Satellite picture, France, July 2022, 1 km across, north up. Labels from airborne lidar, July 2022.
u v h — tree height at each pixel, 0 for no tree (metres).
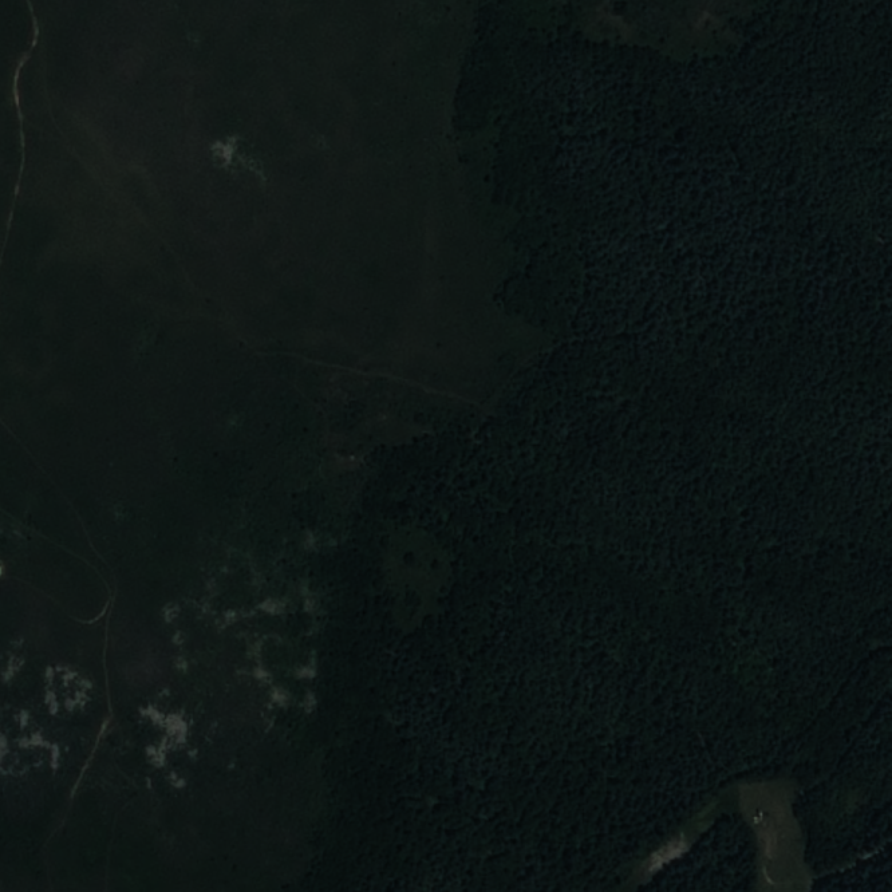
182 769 0
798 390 18
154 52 0
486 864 21
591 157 21
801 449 17
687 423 12
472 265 0
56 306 0
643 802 23
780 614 22
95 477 0
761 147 20
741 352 18
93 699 0
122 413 0
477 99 10
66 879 0
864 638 18
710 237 19
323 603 6
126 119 0
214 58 0
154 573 0
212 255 0
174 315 0
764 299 15
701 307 14
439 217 0
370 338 0
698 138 16
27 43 0
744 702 19
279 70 0
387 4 0
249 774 0
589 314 14
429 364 0
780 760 8
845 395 18
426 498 12
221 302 0
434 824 18
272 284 0
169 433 0
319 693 7
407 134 0
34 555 0
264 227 0
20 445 0
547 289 10
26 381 0
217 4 0
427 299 0
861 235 20
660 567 17
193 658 0
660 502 16
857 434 15
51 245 0
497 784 25
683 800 23
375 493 7
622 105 21
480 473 9
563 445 16
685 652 19
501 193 8
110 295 0
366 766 15
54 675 0
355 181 0
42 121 0
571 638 19
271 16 0
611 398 19
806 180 18
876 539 20
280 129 0
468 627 11
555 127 18
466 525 6
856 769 13
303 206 0
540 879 25
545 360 6
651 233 16
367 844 17
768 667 9
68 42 0
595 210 15
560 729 22
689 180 21
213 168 0
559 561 8
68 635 0
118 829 0
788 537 22
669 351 19
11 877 0
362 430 0
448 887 19
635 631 15
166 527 0
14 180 0
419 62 0
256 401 0
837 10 19
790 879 0
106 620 0
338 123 0
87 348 0
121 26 0
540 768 24
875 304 13
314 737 7
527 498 13
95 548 0
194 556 0
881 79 19
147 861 0
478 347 0
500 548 8
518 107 9
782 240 21
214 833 0
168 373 0
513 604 14
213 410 0
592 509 12
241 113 0
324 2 0
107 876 0
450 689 16
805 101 19
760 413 12
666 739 22
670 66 15
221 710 0
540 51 16
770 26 13
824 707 11
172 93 0
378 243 0
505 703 17
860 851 10
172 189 0
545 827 18
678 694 19
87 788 0
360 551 7
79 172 0
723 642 11
